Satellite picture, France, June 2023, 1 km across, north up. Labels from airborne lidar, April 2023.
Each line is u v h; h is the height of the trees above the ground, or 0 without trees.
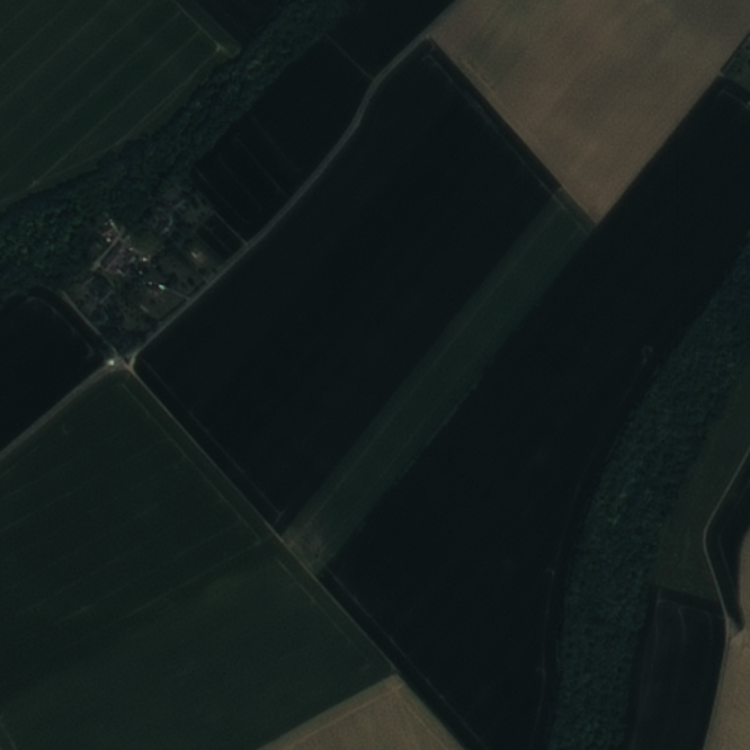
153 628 0
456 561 0
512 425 0
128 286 7
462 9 0
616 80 0
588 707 18
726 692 0
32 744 0
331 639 0
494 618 0
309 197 0
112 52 0
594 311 0
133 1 0
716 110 0
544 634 0
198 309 0
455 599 0
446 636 0
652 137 0
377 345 0
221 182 0
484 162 0
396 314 0
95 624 0
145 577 0
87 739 0
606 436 0
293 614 0
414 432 0
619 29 0
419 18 0
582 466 0
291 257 0
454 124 0
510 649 0
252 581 0
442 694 0
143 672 0
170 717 0
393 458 0
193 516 0
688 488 0
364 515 0
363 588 0
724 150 0
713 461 0
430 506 0
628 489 7
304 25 7
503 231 0
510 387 0
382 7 0
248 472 0
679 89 0
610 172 0
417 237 0
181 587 0
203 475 0
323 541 0
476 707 0
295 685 0
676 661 0
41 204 18
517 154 0
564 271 0
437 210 0
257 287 0
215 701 0
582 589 8
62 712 0
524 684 0
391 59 0
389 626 0
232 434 0
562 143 0
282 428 0
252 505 0
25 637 0
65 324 0
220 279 0
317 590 0
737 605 0
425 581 0
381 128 0
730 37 0
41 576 0
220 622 0
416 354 0
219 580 0
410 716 0
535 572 0
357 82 0
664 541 0
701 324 11
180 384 0
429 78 0
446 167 0
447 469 0
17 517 0
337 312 0
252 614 0
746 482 0
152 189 12
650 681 0
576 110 0
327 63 0
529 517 0
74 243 22
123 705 0
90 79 0
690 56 0
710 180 0
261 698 0
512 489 0
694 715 0
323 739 0
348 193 0
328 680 0
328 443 0
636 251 0
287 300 0
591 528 11
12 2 0
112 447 0
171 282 10
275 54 12
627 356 0
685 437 12
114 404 0
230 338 0
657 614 0
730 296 14
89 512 0
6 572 0
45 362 0
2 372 0
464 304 0
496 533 0
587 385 0
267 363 0
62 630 0
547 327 0
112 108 0
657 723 0
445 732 0
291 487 0
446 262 0
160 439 0
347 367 0
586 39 0
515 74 0
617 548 9
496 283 0
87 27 0
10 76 0
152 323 19
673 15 0
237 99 16
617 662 6
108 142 0
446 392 0
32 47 0
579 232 0
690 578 0
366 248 0
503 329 0
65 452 0
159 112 0
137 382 0
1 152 0
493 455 0
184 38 0
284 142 0
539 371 0
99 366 0
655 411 6
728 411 0
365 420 0
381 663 0
